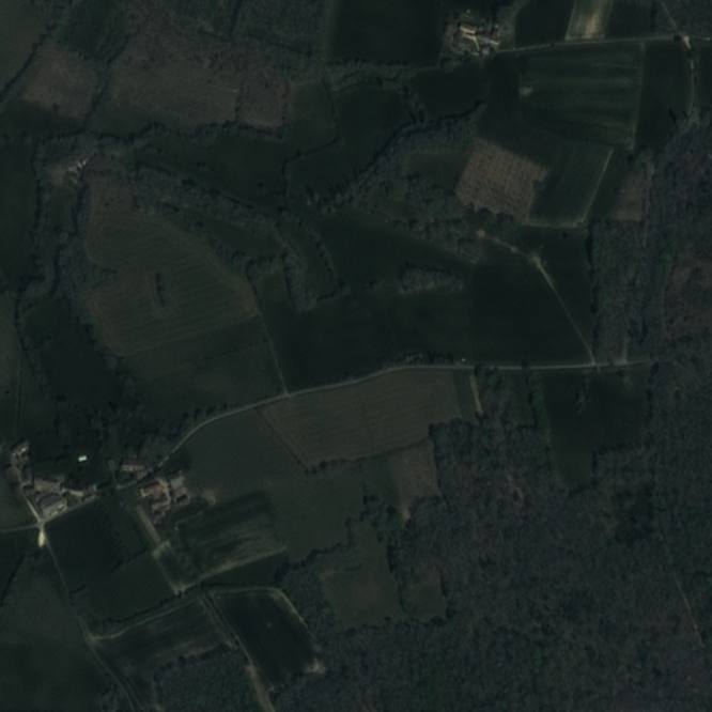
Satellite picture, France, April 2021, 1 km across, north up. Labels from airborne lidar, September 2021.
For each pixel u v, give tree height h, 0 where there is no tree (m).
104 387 0
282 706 21
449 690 23
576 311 0
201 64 7
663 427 22
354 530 13
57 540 0
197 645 0
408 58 0
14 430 0
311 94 0
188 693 21
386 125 0
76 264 13
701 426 17
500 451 18
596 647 18
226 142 0
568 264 0
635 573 26
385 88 24
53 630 0
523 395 0
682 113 0
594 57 0
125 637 0
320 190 0
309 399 0
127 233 0
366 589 0
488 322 0
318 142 0
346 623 0
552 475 14
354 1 0
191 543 0
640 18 0
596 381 0
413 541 16
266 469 0
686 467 20
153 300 0
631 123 0
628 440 0
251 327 0
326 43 14
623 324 18
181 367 0
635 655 13
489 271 0
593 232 16
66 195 0
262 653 0
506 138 0
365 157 0
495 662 19
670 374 15
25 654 0
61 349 0
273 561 0
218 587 8
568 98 0
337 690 20
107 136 9
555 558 20
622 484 24
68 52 11
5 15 0
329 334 0
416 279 20
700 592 22
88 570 0
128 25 9
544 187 10
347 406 0
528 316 0
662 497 21
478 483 14
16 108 0
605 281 22
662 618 19
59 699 0
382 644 16
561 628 18
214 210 15
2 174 0
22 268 0
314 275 0
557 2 0
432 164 0
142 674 0
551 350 0
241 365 0
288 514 0
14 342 0
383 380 0
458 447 14
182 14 15
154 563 0
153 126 13
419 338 0
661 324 11
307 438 0
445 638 22
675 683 15
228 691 25
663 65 0
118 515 0
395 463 0
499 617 22
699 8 17
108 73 7
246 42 15
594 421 0
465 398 0
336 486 0
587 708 17
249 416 0
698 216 19
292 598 20
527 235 0
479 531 12
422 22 0
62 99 0
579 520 20
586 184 0
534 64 0
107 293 0
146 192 16
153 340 0
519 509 11
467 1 0
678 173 10
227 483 0
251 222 17
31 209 0
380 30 0
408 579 19
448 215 19
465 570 16
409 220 0
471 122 15
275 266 17
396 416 0
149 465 7
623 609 22
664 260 18
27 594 0
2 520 0
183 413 0
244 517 0
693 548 22
